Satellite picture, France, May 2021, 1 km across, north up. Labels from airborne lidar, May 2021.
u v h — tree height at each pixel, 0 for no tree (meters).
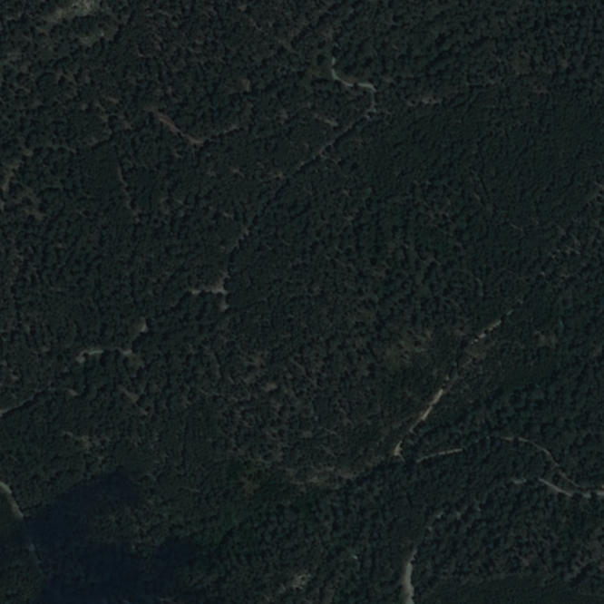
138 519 24
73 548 32
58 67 26
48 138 41
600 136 23
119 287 30
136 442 9
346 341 28
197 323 18
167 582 33
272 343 19
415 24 39
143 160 32
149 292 28
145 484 26
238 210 31
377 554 20
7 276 39
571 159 18
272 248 30
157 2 26
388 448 11
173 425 24
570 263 28
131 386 26
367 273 40
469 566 33
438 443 38
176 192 32
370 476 9
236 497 30
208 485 32
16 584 27
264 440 21
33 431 25
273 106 27
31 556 25
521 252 22
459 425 32
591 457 29
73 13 0
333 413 20
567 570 30
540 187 23
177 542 25
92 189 25
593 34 38
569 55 32
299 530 33
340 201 31
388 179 21
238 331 21
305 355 30
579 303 24
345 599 23
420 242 19
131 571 34
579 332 32
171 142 31
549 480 30
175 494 24
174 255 32
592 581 32
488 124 13
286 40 32
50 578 28
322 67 26
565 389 36
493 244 22
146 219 25
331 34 36
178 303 32
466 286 34
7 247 37
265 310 21
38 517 28
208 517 33
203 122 35
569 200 27
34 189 35
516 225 23
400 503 27
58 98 28
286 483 6
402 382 9
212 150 31
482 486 27
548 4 34
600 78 38
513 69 24
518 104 28
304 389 20
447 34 35
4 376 26
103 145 24
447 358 12
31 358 33
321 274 33
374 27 32
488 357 7
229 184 29
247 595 9
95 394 30
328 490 9
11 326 33
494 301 19
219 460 29
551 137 22
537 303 19
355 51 35
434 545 24
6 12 28
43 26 30
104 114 20
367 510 13
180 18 19
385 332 36
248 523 25
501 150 17
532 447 28
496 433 34
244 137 29
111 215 32
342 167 27
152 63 33
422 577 14
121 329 29
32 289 31
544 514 31
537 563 10
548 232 30
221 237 26
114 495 25
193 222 31
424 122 28
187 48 29
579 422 12
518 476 15
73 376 28
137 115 33
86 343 34
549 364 9
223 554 27
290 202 34
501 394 15
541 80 17
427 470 24
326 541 25
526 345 16
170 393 24
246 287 26
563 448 22
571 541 9
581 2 22
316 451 14
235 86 8
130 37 29
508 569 7
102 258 27
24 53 17
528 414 33
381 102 24
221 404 28
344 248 38
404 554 25
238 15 29
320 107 25
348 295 40
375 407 28
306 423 14
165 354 34
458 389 8
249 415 27
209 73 35
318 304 32
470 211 26
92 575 38
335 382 28
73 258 23
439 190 39
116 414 25
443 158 29
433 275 34
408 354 24
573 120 20
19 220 15
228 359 27
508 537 32
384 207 32
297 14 34
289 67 32
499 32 38
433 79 36
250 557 10
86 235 34
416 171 26
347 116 22
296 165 27
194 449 27
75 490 30
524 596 14
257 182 30
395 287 37
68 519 30
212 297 25
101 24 22
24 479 30
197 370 35
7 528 12
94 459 22
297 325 28
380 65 29
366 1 30
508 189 28
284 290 31
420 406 7
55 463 29
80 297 34
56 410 30
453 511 27
